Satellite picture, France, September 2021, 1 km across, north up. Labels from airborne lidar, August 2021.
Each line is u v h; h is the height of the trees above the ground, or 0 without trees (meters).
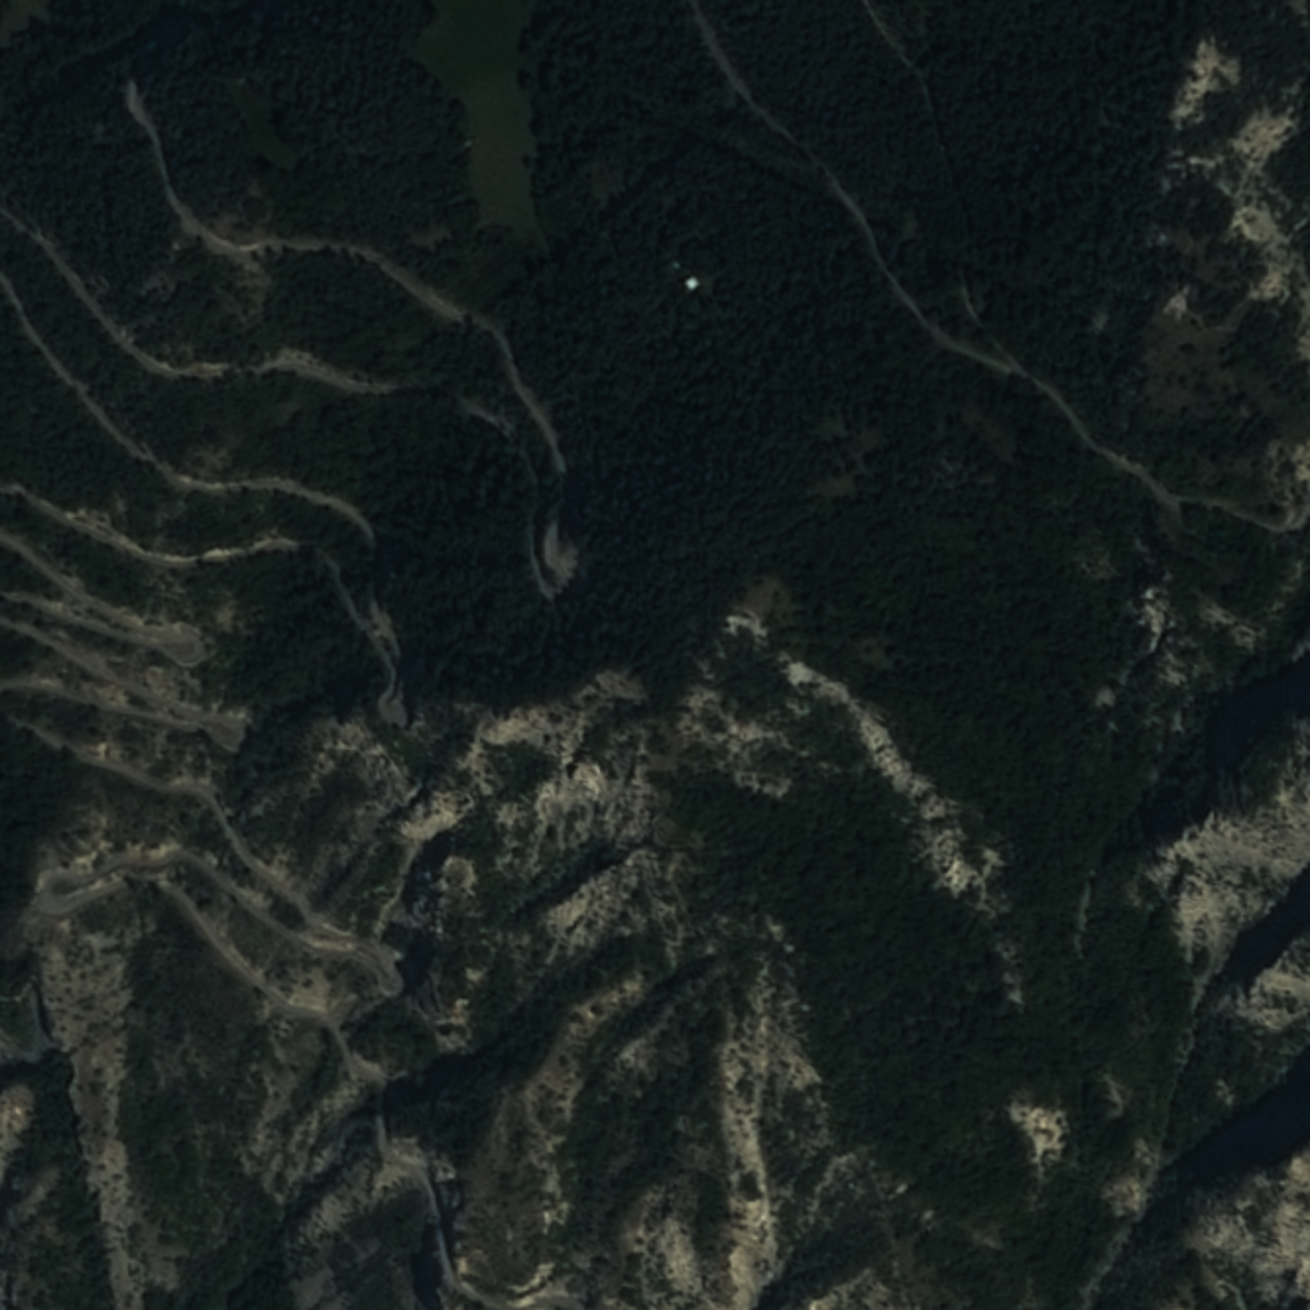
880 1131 6
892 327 16
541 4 9
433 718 6
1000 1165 7
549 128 14
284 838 7
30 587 12
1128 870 6
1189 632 9
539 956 8
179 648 0
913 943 13
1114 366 8
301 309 11
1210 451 8
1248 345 9
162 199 9
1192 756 12
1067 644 16
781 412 16
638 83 19
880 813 13
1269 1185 6
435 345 14
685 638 8
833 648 8
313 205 13
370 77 12
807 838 11
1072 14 14
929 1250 7
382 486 15
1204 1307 7
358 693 11
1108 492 13
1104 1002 8
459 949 6
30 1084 7
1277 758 8
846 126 16
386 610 10
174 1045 7
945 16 19
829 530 10
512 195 0
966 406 7
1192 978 5
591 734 7
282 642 7
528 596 14
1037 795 10
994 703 12
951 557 9
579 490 8
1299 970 7
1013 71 13
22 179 9
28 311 6
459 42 0
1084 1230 7
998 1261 11
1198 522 15
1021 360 13
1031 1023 8
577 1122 6
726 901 7
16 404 11
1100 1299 8
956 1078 12
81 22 25
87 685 8
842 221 18
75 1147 10
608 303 17
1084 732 13
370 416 11
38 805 7
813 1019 7
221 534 8
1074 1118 8
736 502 13
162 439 8
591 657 22
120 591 6
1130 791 9
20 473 8
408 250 10
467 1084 8
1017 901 8
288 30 17
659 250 16
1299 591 8
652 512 16
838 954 10
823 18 13
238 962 0
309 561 21
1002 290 9
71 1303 7
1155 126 10
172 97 15
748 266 17
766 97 12
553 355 14
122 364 9
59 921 0
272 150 0
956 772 10
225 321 7
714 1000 7
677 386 17
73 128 14
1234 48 8
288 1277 6
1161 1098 9
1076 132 17
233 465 6
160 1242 6
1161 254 8
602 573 15
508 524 12
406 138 13
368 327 13
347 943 0
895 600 13
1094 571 7
